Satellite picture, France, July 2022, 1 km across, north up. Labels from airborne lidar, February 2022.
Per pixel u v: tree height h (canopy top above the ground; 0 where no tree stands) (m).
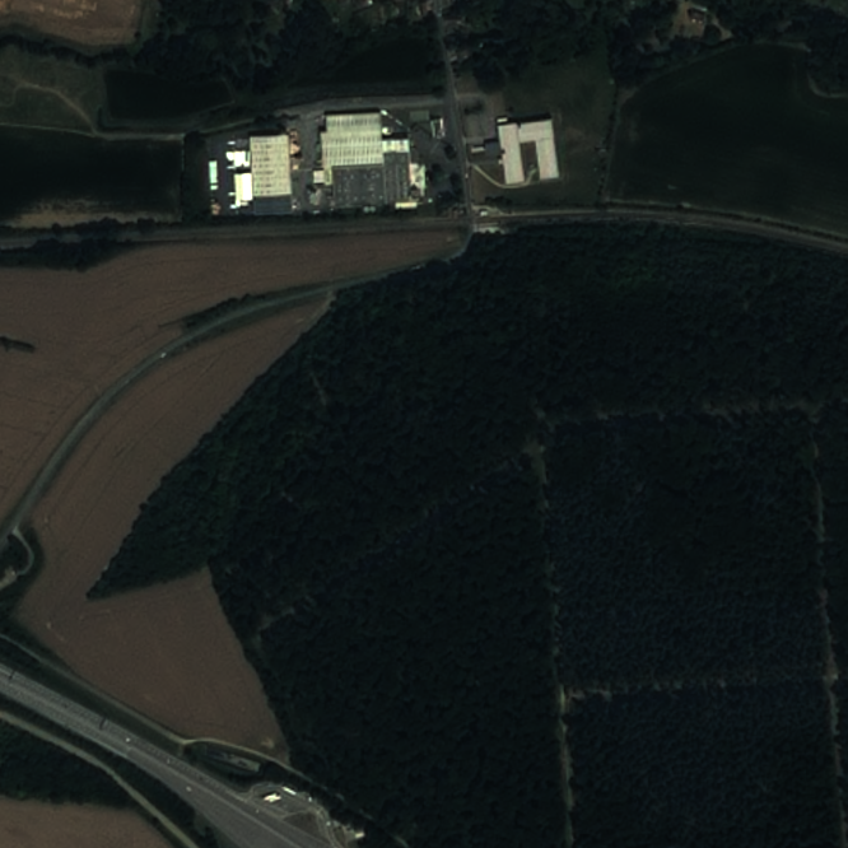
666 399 24
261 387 9
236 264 0
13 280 0
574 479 27
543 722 30
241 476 9
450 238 0
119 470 0
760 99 0
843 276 13
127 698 0
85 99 0
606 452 28
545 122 0
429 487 25
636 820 24
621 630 25
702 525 23
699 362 25
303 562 25
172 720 0
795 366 27
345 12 0
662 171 0
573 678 30
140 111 0
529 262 20
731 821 21
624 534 22
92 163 0
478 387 19
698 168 0
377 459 23
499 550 28
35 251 9
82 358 0
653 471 31
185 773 0
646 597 24
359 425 20
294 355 9
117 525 0
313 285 0
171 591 0
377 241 0
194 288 0
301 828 0
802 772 16
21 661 7
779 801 8
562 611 30
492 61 12
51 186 0
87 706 0
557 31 11
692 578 25
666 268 11
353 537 25
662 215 0
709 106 0
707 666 25
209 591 0
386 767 26
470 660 27
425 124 0
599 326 8
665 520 30
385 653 25
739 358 28
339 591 25
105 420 0
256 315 0
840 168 0
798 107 0
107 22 0
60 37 0
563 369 26
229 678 0
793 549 16
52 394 0
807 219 0
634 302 7
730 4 15
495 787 30
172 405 0
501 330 21
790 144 0
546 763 31
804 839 18
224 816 0
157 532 8
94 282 0
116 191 0
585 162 0
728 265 14
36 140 0
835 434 25
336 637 24
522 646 30
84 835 0
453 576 28
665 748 30
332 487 22
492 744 30
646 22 22
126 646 0
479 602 28
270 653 19
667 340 12
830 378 24
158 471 0
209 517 7
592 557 31
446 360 9
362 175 0
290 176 0
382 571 25
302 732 0
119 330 0
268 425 9
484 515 28
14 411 0
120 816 0
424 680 28
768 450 22
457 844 25
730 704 32
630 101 0
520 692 29
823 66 20
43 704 0
